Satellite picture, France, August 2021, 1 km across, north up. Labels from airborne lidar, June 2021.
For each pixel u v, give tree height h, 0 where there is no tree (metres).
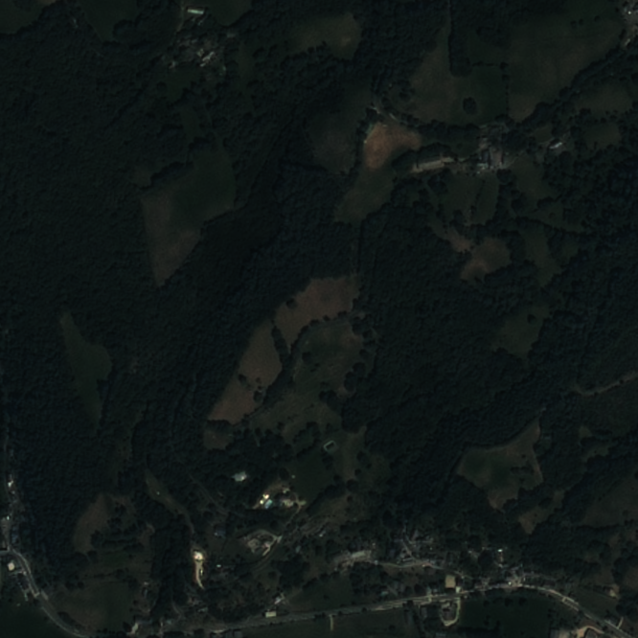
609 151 12
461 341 19
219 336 17
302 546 8
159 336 19
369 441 12
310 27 0
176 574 18
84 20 13
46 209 21
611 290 18
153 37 15
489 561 17
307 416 0
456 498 21
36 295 20
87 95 15
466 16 23
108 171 19
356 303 12
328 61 19
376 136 0
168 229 0
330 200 18
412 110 0
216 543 0
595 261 28
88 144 25
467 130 11
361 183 0
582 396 7
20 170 22
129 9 0
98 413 0
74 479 12
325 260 15
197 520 19
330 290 0
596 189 8
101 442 10
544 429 13
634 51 20
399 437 27
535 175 0
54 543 23
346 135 0
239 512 14
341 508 0
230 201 0
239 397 0
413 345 24
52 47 22
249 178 8
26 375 19
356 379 15
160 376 11
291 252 16
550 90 0
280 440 19
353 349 0
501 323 27
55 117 22
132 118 23
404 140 0
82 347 0
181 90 0
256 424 0
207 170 0
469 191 0
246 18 14
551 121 12
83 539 0
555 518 8
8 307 17
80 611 0
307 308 0
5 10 0
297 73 27
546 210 15
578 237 20
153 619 11
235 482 11
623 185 20
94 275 25
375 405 14
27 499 8
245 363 0
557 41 0
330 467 16
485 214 0
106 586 0
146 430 28
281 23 17
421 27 19
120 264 15
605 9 0
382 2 23
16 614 0
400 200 23
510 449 0
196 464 11
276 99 17
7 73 23
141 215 11
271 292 20
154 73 20
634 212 25
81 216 20
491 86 0
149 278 16
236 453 16
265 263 20
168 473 20
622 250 22
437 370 21
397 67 13
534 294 25
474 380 21
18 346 15
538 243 0
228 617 9
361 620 0
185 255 0
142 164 19
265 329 0
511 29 18
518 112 0
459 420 8
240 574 10
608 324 19
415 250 23
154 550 8
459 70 20
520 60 0
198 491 11
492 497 0
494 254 0
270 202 11
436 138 14
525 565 13
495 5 23
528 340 0
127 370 8
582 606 0
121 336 11
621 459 20
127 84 8
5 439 10
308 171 22
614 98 0
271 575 10
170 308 20
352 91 0
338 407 19
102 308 18
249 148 19
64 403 19
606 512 0
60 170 23
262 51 13
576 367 17
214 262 9
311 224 19
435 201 0
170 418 18
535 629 0
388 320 22
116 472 0
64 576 16
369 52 19
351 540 7
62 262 22
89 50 11
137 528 16
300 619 0
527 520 0
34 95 13
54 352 17
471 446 13
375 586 6
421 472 8
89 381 0
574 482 20
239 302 20
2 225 24
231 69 15
